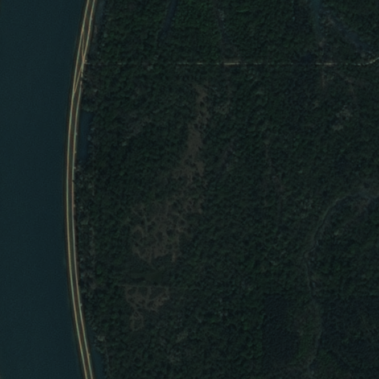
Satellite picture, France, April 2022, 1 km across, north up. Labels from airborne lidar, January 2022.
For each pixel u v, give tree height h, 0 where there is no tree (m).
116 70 17
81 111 0
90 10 0
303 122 17
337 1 23
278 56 18
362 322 21
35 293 0
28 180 0
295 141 19
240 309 6
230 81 11
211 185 17
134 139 20
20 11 0
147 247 11
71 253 0
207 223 13
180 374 20
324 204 12
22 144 0
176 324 16
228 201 18
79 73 0
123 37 16
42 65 0
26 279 0
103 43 22
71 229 0
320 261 18
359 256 19
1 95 0
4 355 0
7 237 0
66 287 0
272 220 14
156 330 19
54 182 0
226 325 13
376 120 0
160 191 9
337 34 16
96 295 17
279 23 15
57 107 0
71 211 0
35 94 0
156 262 8
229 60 18
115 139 28
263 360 22
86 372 0
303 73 13
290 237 16
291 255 15
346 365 20
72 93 0
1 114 0
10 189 0
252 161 11
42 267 0
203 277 11
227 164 21
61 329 0
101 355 0
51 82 0
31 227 0
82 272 15
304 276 17
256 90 18
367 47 0
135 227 12
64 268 0
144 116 23
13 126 0
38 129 0
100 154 22
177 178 0
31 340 0
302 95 12
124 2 25
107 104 18
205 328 20
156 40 22
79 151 0
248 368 21
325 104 9
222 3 17
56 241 0
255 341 23
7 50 0
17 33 0
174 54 23
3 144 0
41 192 0
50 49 0
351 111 28
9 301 0
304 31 20
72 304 0
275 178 23
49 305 0
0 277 0
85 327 0
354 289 14
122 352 21
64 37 0
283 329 22
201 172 0
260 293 21
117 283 14
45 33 0
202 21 0
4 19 0
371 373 22
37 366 0
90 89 27
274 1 15
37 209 0
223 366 19
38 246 0
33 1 0
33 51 0
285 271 16
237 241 24
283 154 14
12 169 0
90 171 25
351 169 8
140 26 14
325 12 0
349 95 0
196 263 17
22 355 0
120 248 16
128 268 9
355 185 7
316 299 22
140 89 25
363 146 17
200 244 16
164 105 15
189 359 16
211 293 17
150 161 19
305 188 19
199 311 19
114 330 17
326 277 26
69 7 0
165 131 19
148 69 20
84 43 0
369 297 25
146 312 6
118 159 31
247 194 9
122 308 6
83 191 22
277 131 21
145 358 12
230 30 14
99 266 19
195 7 0
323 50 14
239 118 21
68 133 0
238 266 10
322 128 16
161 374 21
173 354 20
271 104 16
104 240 14
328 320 25
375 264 21
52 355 0
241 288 16
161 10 18
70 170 0
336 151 8
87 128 0
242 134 16
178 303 11
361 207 0
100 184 19
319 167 6
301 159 16
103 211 16
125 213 17
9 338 0
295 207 16
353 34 0
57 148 0
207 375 19
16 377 0
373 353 21
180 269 17
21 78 0
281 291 18
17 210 0
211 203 16
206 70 12
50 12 0
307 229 16
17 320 0
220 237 6
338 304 20
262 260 17
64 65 0
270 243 19
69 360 0
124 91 16
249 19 19
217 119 21
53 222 0
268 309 24
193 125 0
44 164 0
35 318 0
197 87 0
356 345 21
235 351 21
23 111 0
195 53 14
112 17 18
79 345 0
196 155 0
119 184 22
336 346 22
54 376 0
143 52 6
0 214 0
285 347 23
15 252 0
